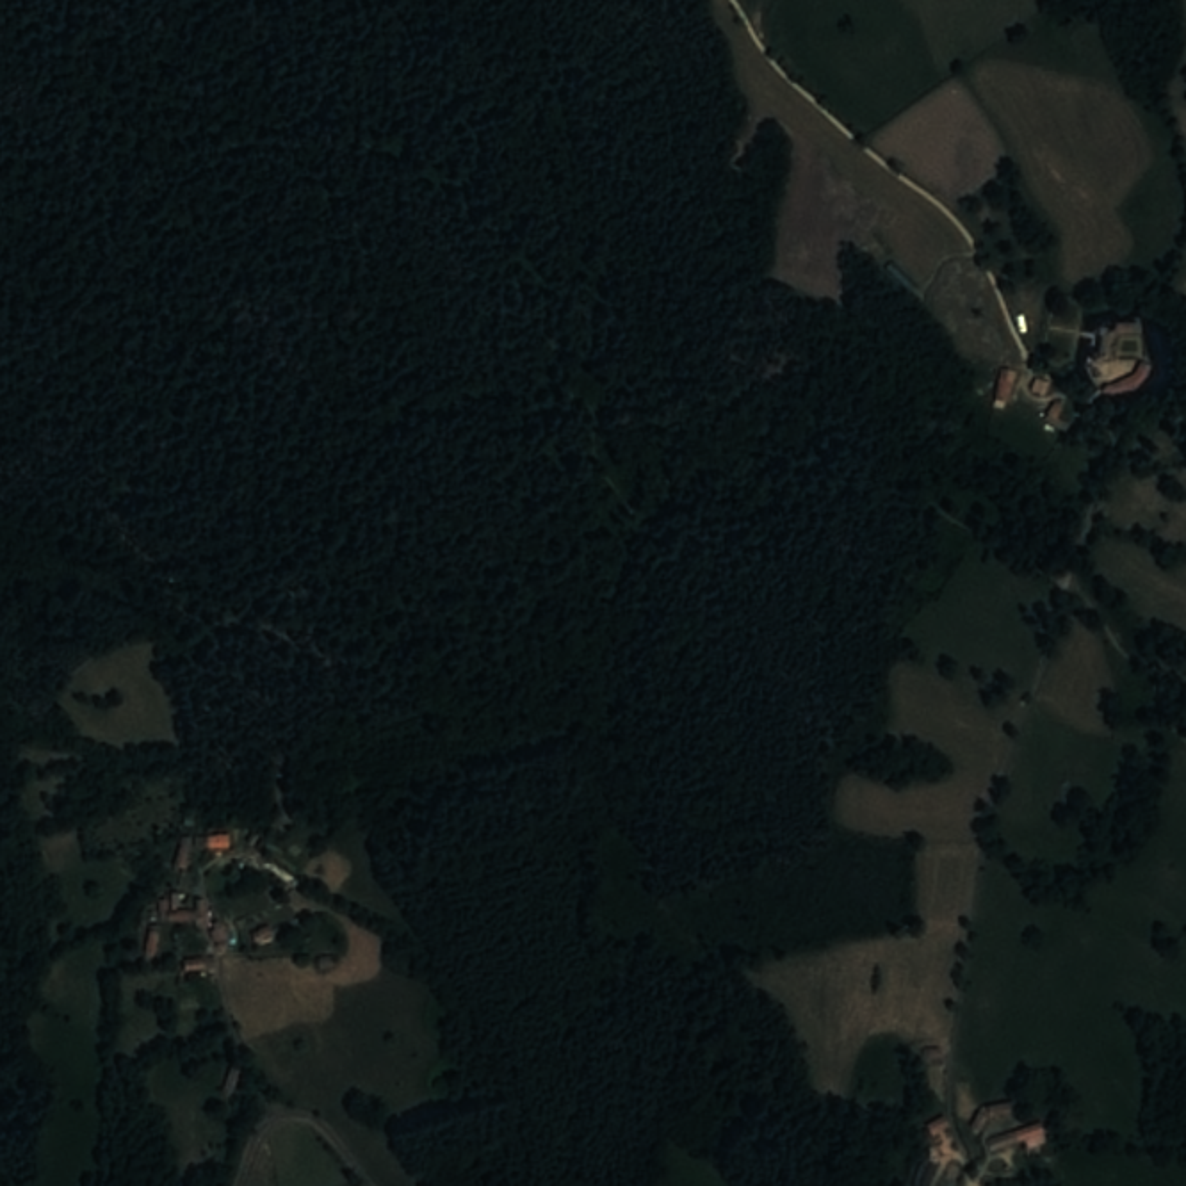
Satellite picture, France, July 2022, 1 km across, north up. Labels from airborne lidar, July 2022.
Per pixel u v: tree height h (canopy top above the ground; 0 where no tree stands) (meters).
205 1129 0
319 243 23
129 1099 15
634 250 21
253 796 21
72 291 18
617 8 20
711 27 21
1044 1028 0
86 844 11
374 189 25
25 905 12
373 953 0
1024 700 7
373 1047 0
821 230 0
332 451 24
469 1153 26
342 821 15
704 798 20
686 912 0
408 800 14
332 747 16
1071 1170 0
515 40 26
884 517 21
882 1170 25
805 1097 22
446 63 36
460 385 20
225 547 21
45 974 14
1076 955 0
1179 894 0
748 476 23
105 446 18
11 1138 35
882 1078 0
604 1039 21
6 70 32
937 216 0
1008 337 0
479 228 26
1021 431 0
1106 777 0
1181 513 0
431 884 16
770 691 16
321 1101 0
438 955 19
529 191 27
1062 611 21
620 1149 17
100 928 12
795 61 0
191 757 18
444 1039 9
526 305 28
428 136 28
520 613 41
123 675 0
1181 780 0
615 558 24
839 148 0
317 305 24
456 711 23
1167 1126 16
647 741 24
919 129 0
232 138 26
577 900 14
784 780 19
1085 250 0
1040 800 0
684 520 25
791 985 0
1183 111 0
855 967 0
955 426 21
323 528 12
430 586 19
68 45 33
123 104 24
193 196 25
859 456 36
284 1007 0
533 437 36
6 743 14
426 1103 0
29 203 16
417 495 28
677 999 22
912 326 18
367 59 29
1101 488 24
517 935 15
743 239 26
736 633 23
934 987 0
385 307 16
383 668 18
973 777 0
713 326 23
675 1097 16
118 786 13
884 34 0
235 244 27
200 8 26
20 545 13
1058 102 0
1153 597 0
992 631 0
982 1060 0
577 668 21
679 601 25
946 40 0
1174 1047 14
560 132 27
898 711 0
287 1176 0
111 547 14
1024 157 0
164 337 19
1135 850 19
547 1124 20
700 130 25
